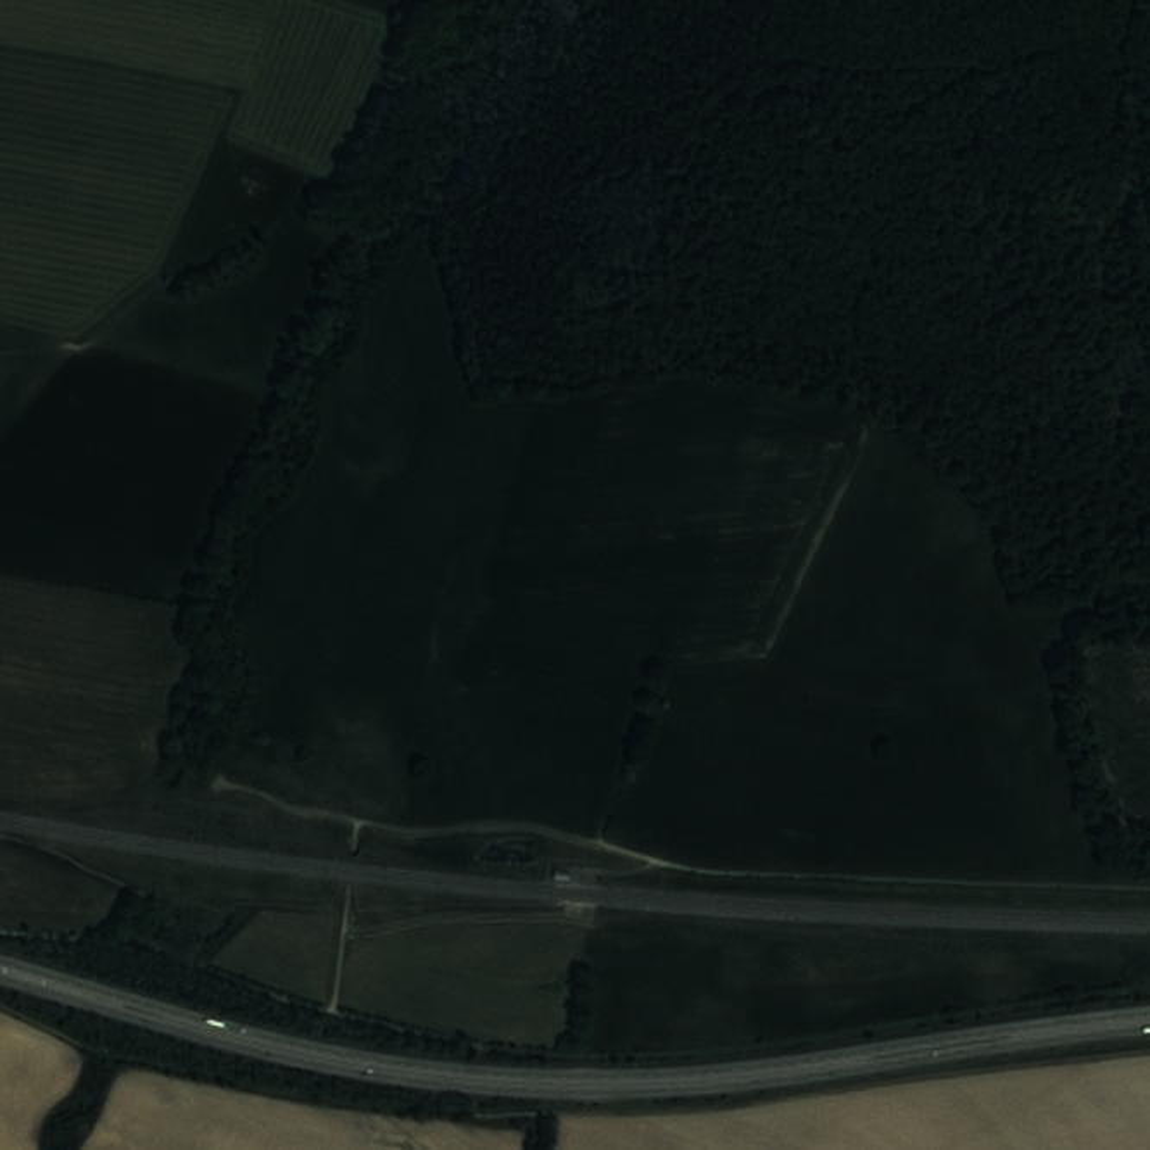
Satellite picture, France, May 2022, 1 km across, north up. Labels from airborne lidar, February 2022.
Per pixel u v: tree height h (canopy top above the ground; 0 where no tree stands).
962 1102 0
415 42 30
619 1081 0
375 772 0
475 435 0
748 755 0
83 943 14
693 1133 0
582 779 0
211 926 0
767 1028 0
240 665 7
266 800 0
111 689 0
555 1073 0
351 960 0
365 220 27
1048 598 23
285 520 0
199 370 0
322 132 0
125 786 0
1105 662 0
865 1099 0
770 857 0
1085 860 0
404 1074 0
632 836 0
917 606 0
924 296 18
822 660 0
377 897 0
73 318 0
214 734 9
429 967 0
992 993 0
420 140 17
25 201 0
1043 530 11
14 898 0
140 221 0
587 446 0
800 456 0
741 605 0
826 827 0
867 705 0
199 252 0
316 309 27
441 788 0
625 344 13
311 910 0
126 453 0
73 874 0
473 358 12
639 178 16
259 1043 0
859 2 9
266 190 0
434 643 0
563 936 0
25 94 0
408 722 0
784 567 0
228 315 0
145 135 0
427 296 0
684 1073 0
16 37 0
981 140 20
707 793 0
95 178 0
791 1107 0
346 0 0
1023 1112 0
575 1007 16
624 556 0
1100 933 0
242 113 0
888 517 0
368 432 0
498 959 0
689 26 8
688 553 0
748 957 0
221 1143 0
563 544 0
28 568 0
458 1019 0
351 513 0
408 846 0
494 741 0
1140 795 0
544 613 0
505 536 0
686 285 23
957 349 15
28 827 0
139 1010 0
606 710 0
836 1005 0
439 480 0
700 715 0
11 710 0
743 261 20
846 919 0
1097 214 22
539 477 0
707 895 0
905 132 23
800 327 22
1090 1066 0
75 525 0
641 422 0
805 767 0
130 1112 0
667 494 0
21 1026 0
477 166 24
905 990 0
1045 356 22
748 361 20
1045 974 0
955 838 0
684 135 13
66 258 0
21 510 0
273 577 0
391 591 0
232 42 0
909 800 0
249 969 0
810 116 26
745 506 0
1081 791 17
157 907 11
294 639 0
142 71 0
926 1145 0
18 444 0
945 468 12
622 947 0
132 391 0
